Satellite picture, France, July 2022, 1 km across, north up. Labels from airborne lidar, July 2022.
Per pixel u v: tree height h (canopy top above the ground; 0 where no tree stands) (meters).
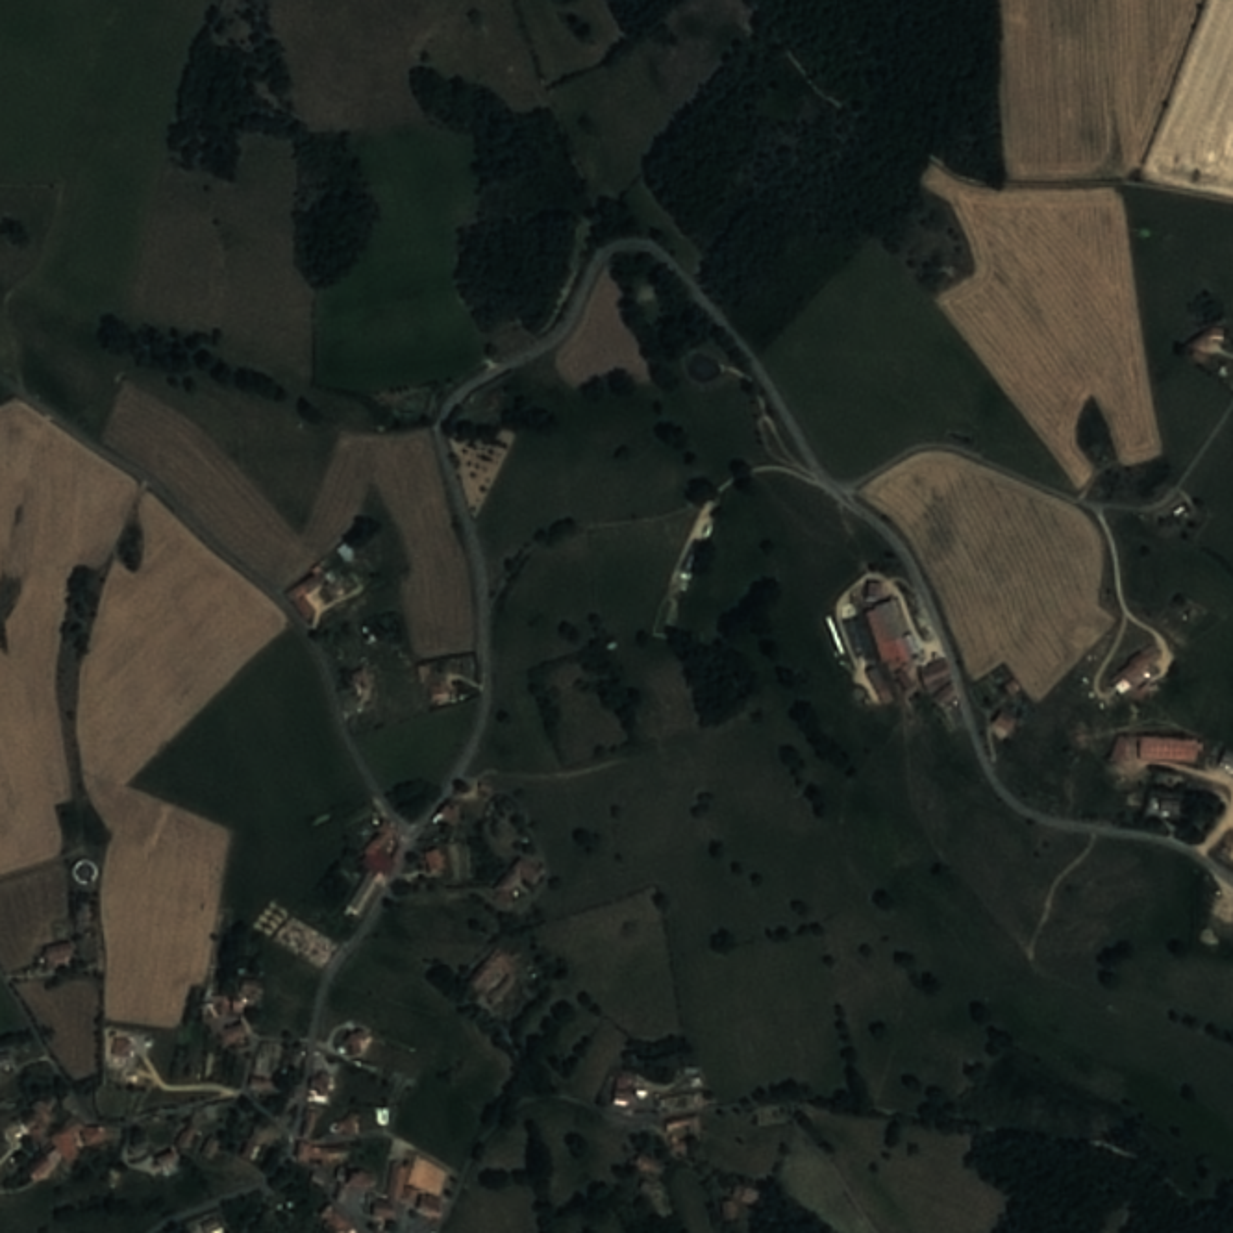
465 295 13
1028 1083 0
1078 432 0
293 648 0
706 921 0
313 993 0
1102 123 0
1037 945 0
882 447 0
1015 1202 10
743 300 6
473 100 12
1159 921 0
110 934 0
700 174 14
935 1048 0
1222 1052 0
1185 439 0
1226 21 0
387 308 0
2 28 0
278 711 0
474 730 0
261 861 0
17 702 0
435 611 0
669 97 0
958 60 15
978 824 0
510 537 0
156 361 14
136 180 0
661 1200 0
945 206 0
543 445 0
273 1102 13
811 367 0
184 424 0
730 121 11
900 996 0
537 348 0
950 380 0
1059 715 0
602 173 0
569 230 22
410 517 0
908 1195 0
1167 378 0
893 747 0
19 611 0
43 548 0
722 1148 0
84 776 0
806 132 12
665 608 0
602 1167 0
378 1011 0
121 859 0
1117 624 0
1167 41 0
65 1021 0
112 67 0
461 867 0
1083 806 0
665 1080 9
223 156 12
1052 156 0
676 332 13
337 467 0
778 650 21
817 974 0
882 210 15
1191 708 0
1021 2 0
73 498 0
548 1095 12
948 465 0
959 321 0
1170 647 0
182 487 0
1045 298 0
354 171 9
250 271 0
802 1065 0
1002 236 0
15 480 0
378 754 0
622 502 0
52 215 0
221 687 0
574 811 0
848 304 0
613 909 0
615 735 0
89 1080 5
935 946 0
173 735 0
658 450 0
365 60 0
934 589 0
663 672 0
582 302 0
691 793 0
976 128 10
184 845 0
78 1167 6
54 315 0
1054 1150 17
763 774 0
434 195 0
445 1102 0
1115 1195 12
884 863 0
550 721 9
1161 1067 0
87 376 0
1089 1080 0
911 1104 0
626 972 0
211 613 0
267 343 0
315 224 13
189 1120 6
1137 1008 0
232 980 8
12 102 0
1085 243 0
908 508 0
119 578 0
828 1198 0
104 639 0
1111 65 0
